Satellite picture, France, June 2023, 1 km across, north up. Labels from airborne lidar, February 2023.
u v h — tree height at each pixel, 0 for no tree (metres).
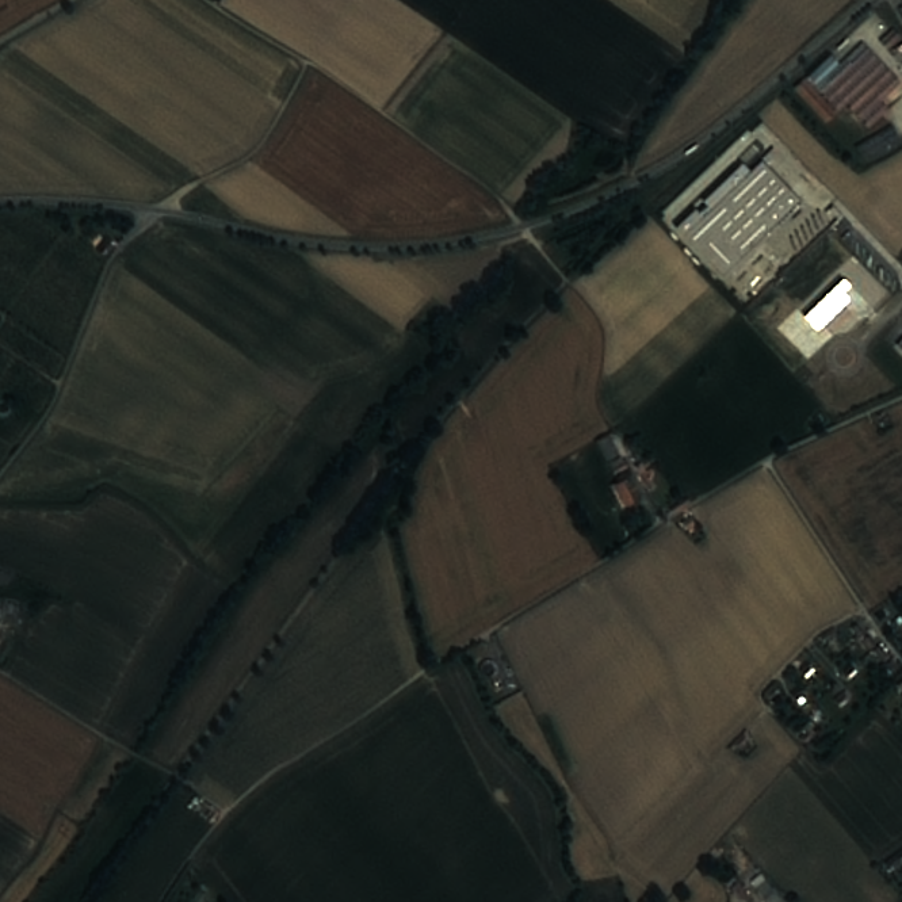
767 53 0
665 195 0
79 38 0
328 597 0
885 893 0
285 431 0
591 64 0
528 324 0
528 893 0
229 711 14
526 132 0
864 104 0
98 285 0
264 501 0
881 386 0
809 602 0
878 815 0
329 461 0
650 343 0
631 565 0
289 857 0
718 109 0
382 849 0
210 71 0
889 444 0
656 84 0
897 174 0
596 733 0
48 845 0
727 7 22
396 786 0
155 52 0
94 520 0
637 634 0
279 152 0
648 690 0
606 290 0
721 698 0
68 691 0
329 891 0
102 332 0
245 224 0
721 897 0
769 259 0
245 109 0
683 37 0
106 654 0
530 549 0
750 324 0
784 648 0
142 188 0
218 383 0
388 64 0
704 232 0
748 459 0
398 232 0
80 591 0
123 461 0
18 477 0
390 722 0
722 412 0
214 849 0
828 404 0
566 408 0
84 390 0
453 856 0
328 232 0
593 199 0
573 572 0
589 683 0
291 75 0
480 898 0
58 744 0
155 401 0
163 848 0
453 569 0
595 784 0
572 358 0
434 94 0
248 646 0
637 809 0
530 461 0
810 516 0
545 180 12
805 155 0
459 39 0
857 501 0
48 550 0
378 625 0
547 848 0
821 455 0
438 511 0
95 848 0
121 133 0
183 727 0
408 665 0
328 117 0
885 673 8
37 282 0
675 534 0
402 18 0
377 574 0
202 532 0
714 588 0
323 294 0
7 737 0
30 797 0
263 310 0
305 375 0
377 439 0
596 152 0
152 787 0
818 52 0
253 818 0
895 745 0
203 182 0
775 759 0
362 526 19
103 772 0
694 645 0
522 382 0
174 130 0
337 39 0
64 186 0
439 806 0
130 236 0
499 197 0
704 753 0
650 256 0
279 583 0
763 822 0
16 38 0
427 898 0
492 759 0
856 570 0
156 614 0
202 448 0
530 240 0
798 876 0
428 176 0
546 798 0
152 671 0
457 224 0
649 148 0
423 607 0
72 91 0
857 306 0
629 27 0
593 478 0
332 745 0
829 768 0
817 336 0
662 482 0
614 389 0
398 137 0
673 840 0
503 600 0
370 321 0
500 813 0
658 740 0
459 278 0
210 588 0
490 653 0
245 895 0
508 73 0
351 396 0
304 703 0
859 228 0
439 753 0
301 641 0
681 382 0
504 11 0
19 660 0
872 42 0
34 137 0
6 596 0
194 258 0
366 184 0
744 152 0
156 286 0
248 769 0
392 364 0
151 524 0
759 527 0
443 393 0
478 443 0
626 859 0
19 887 0
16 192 0
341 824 0
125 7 0
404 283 0
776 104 0
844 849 0
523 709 0
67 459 0
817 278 0
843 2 0
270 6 0
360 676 0
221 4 0
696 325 0
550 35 0
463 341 0
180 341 0
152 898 0
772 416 0
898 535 0
